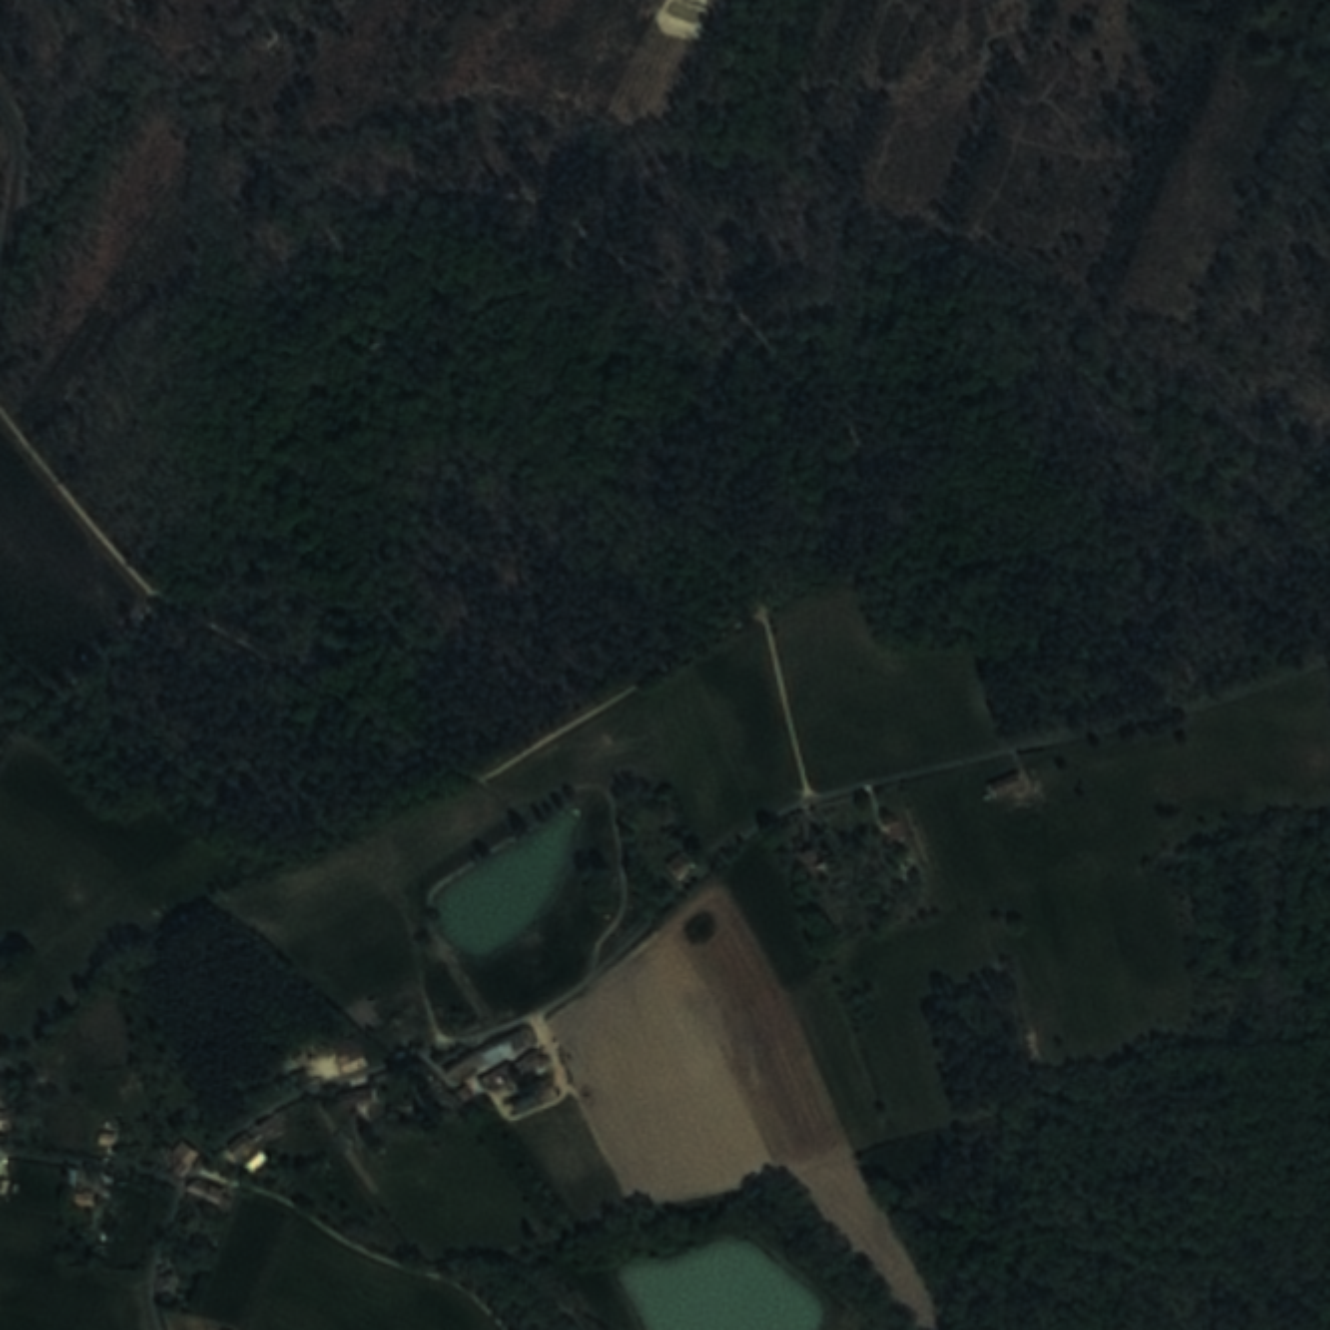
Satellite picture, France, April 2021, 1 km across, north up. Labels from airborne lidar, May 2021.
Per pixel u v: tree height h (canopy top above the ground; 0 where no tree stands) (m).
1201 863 13
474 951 0
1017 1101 20
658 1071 0
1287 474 18
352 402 15
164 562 14
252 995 17
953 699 0
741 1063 0
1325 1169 19
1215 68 13
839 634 0
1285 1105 16
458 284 23
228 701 27
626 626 14
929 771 0
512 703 21
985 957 0
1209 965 11
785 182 22
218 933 18
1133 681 21
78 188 15
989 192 0
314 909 0
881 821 10
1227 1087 22
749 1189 13
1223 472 17
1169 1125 13
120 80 21
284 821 20
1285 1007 15
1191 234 0
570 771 0
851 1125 0
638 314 11
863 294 16
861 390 19
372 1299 0
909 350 23
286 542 15
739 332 15
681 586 21
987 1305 25
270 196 17
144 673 26
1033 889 0
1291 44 8
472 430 25
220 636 23
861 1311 17
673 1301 0
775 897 0
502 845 0
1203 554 23
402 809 20
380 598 14
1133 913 0
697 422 27
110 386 10
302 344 26
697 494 25
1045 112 10
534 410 20
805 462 21
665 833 8
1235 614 18
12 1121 12
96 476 14
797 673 0
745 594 17
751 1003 0
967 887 0
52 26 13
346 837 11
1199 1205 20
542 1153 0
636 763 0
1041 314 14
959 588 26
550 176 10
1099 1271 18
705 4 0
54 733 13
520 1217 0
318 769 26
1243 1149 22
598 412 19
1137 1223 21
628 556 20
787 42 19
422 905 0
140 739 17
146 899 0
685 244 13
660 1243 15
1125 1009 0
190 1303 7
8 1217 0
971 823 0
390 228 23
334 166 9
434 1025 0
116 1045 0
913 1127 0
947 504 20
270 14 11
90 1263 11
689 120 14
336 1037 12
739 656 0
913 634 19
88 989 13
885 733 0
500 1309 15
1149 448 14
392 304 22
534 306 22
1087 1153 21
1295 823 10
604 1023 0
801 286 11
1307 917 22
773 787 0
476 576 16
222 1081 17
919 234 19
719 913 0
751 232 13
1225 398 12
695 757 0
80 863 0
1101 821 0
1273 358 7
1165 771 0
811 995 0
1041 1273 17
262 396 27
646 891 12
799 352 19
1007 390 18
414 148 14
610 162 14
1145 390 21
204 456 18
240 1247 0
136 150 15
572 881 0
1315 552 16
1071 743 0
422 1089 13
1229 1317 26
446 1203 0
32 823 0
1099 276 12
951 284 25
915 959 0
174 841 0
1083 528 22
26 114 14
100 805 28
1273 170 16
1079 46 11
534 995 0
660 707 0
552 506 12
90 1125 0
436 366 31
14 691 21
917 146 0
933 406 24
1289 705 0
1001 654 16
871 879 11
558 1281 10
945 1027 27
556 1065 0
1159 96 6
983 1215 18
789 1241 13
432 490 14
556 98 0
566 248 25
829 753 0
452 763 24
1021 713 22
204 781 14
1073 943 0
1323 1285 15
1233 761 0
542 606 15
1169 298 0
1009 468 23
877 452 20
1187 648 21
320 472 16
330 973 0
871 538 16
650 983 0
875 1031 0
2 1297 0
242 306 21
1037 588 27
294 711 15
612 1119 0
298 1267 0
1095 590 24
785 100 21
